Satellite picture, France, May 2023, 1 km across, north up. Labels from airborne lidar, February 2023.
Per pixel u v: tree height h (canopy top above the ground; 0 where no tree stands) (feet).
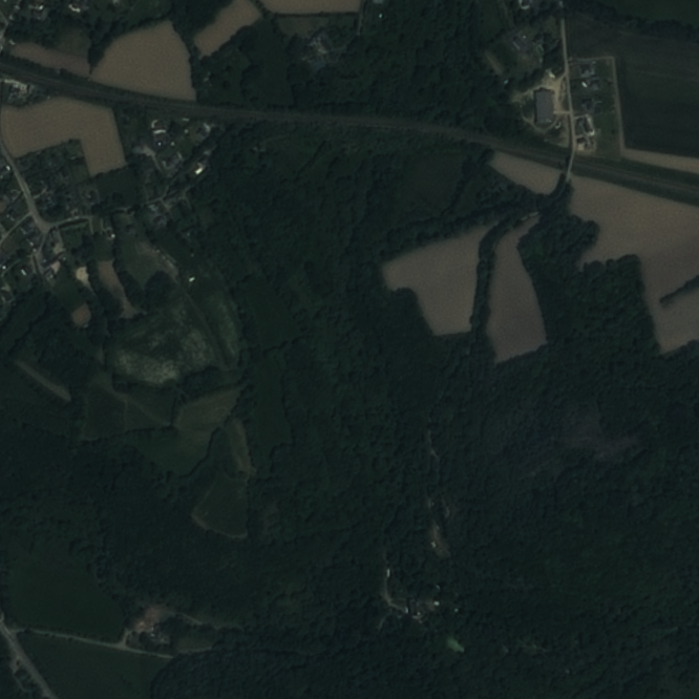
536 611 69
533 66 0
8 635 0
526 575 43
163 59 0
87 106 0
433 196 0
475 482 38
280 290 42
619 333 45
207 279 0
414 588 50
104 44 36
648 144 0
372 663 67
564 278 49
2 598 33
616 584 61
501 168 0
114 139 0
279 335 0
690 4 0
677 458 63
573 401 25
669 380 25
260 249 61
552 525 64
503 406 56
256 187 47
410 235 50
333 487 32
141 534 67
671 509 73
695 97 0
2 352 28
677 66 0
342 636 64
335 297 27
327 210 35
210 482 29
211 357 0
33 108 0
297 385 35
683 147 0
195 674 60
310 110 35
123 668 0
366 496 61
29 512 41
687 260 0
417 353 59
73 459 43
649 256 0
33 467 57
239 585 46
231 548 45
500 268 0
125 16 19
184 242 38
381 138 66
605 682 45
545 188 0
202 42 0
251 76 42
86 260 43
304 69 0
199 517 0
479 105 37
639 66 0
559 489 41
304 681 83
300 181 25
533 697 49
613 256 0
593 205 0
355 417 58
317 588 45
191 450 0
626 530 72
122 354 0
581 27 0
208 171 27
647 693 39
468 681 39
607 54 0
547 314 39
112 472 46
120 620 0
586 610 41
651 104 0
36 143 0
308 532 22
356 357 34
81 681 0
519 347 0
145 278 0
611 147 0
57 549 0
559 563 60
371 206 67
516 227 32
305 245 43
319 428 40
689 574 114
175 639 35
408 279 0
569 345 63
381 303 68
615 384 44
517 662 48
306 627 34
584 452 39
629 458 27
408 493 47
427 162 0
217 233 23
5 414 35
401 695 70
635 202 0
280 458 33
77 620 0
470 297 0
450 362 29
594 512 56
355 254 52
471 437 34
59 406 29
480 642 51
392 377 65
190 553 48
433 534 0
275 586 39
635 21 51
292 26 0
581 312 36
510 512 51
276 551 57
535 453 29
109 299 53
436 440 39
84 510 24
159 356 0
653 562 78
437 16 21
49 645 0
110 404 0
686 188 0
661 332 0
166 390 29
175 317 0
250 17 0
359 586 67
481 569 41
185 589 51
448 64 24
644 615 83
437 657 47
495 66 0
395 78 23
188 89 0
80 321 0
